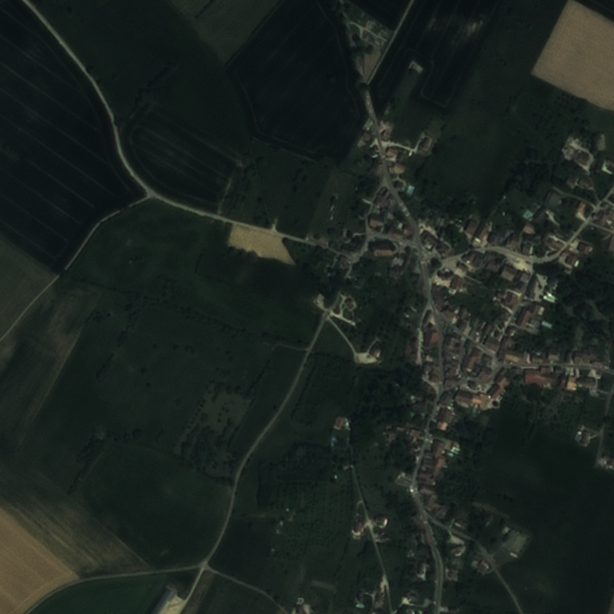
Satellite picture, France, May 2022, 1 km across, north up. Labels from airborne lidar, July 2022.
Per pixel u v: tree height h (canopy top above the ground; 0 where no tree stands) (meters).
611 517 0
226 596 0
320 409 0
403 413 26
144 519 0
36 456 0
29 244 0
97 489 0
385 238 0
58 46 0
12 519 0
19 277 0
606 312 23
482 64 0
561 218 8
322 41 0
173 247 0
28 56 0
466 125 0
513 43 0
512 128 0
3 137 0
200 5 0
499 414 0
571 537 0
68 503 0
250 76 0
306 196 0
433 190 11
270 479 14
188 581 0
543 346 12
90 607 0
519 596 0
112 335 0
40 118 0
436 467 0
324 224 0
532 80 0
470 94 0
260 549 0
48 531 0
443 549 9
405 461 7
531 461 0
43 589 0
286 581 0
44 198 0
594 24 0
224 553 0
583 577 0
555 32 0
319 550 0
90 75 14
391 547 5
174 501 0
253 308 0
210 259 0
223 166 0
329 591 0
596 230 7
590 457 0
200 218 0
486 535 0
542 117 6
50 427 0
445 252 0
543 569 0
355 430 19
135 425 0
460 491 6
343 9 15
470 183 0
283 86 0
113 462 0
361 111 0
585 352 0
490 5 0
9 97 0
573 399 6
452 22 0
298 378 0
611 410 0
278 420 0
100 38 0
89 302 0
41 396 0
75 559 0
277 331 0
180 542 0
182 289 0
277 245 0
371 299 6
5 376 0
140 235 0
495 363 0
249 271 0
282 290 0
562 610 0
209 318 6
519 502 0
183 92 0
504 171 0
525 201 0
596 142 9
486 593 0
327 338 0
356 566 0
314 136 0
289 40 0
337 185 0
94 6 0
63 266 0
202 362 0
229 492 0
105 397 0
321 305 0
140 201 0
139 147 0
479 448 16
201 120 0
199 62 0
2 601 0
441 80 0
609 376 0
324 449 18
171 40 0
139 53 0
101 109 0
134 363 0
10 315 0
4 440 0
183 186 0
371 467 0
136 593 0
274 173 0
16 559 0
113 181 0
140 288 0
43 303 0
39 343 0
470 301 0
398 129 0
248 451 0
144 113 0
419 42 0
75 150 0
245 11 0
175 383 0
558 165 11
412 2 0
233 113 0
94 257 0
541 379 0
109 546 0
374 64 0
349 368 6
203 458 11
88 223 0
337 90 0
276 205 0
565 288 13
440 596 0
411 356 0
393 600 0
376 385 17
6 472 0
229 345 0
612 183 14
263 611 0
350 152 6
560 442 0
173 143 0
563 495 0
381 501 0
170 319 0
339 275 19
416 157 0
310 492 10
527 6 0
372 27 0
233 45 0
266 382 0
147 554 0
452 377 0
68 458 0
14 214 0
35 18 0
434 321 0
